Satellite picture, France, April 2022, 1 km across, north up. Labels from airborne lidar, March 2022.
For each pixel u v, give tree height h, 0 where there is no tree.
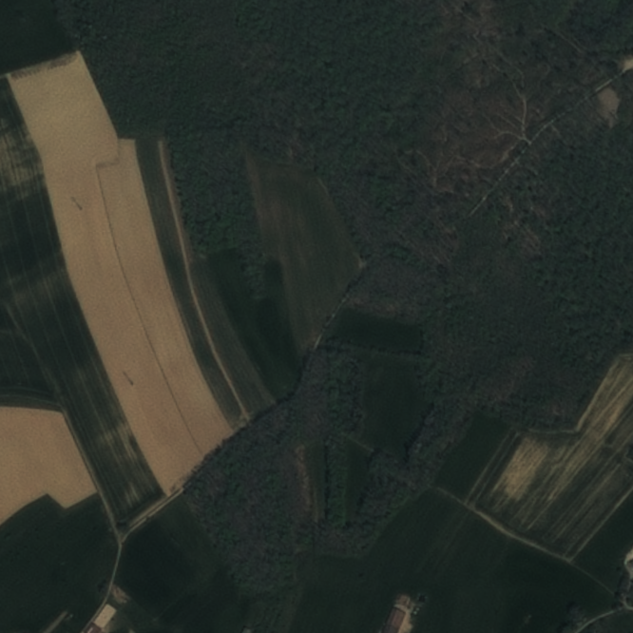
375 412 0
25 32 0
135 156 0
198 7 16
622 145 23
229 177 29
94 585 0
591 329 23
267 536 30
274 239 0
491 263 16
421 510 0
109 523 0
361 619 0
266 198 0
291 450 28
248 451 23
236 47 13
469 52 30
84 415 0
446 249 30
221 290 0
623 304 23
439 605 0
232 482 24
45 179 0
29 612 0
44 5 0
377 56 20
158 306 0
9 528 0
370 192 26
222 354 0
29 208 0
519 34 9
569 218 21
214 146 30
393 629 0
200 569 0
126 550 0
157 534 0
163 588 0
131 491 0
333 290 0
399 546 0
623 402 0
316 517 0
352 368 23
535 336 19
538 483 0
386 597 0
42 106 0
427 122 22
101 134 0
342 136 26
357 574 0
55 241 0
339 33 21
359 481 0
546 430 17
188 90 16
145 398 0
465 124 26
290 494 28
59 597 0
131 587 0
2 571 0
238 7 19
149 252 0
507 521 0
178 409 0
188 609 0
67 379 0
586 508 0
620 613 17
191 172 25
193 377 0
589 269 27
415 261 26
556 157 26
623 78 25
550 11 24
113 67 17
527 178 24
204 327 0
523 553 0
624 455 0
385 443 0
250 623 0
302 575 0
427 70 23
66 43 0
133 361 0
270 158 24
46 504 0
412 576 0
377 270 24
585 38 27
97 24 17
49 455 0
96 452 0
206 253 19
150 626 0
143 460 0
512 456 0
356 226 18
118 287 0
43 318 0
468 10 12
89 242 0
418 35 23
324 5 25
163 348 0
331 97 26
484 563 0
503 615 0
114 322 0
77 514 0
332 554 18
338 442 24
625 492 0
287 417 21
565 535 0
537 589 0
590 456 0
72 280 0
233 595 0
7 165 0
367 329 0
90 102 0
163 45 16
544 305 15
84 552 0
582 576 0
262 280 15
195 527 0
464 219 14
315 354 16
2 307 0
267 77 23
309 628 0
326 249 0
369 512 23
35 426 0
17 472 0
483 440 0
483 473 0
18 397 0
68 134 0
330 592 0
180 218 0
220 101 14
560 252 27
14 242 0
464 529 0
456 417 24
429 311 26
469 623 0
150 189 0
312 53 23
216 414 0
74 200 0
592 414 0
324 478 0
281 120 28
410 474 23
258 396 0
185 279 0
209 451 0
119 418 0
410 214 27
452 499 0
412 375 0
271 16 23
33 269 0
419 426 0
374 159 24
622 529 0
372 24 25
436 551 0
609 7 24
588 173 24
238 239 21
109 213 0
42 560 0
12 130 0
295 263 0
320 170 16
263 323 0
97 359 0
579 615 28
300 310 0
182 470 0
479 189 23
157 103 17
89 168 0
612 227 23
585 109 26
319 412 28
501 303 11
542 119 23
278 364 0
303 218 0
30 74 0
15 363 0
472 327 17
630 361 0
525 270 17
